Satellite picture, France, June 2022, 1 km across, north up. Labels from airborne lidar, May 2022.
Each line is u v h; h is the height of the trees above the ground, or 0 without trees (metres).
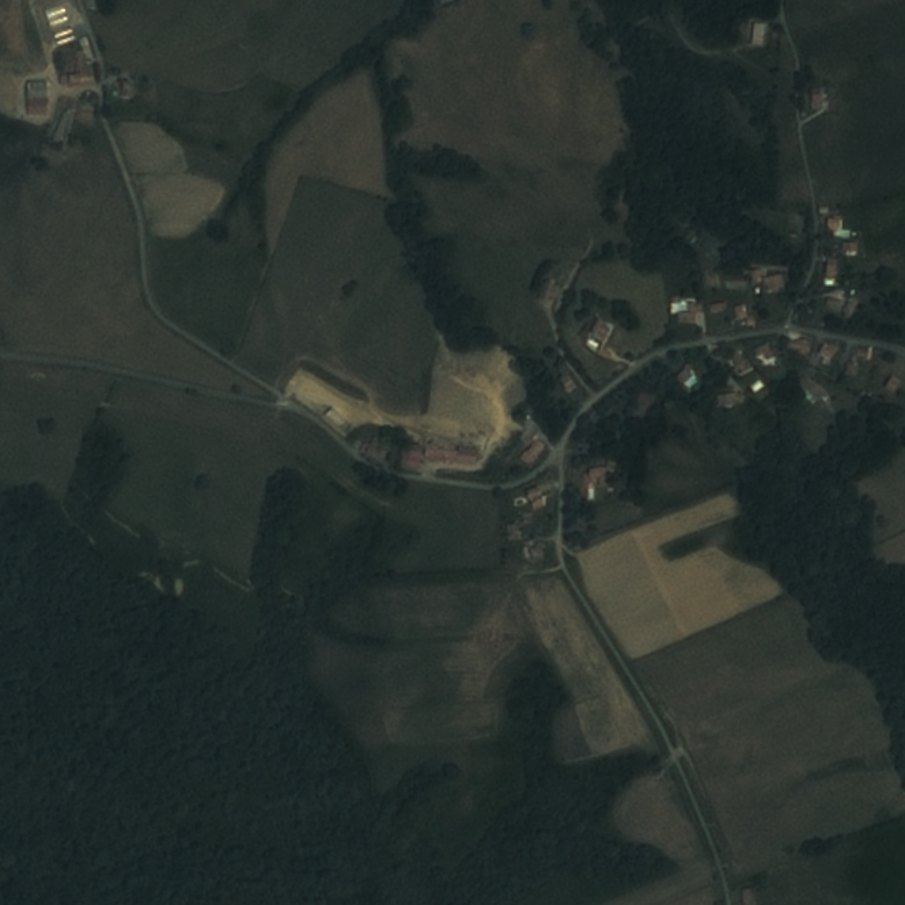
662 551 0
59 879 24
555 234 0
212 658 12
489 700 0
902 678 23
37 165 11
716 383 17
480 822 0
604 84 0
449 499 0
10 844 19
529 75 0
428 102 0
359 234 0
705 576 0
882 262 0
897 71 0
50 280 0
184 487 0
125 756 20
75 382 0
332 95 0
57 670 18
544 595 0
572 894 0
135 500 0
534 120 0
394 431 10
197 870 13
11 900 26
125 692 17
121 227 0
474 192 0
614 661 0
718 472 0
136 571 0
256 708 22
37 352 0
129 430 0
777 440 13
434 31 0
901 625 23
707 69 7
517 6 0
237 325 0
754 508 19
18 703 19
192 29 0
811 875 0
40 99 0
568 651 0
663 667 0
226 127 0
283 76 0
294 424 0
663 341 8
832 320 16
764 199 11
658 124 19
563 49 0
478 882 16
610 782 9
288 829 10
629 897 0
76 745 23
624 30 16
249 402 0
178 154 0
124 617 19
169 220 0
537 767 8
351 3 0
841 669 0
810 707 0
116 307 0
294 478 20
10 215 0
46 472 0
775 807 0
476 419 0
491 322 0
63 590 22
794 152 0
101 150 0
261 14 0
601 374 0
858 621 22
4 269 0
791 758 0
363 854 14
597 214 0
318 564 0
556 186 0
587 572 0
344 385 0
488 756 0
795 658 0
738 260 14
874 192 0
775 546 18
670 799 0
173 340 0
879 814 0
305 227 0
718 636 0
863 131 0
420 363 0
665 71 8
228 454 0
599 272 0
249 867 11
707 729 0
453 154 9
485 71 0
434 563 0
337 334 0
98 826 10
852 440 14
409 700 0
